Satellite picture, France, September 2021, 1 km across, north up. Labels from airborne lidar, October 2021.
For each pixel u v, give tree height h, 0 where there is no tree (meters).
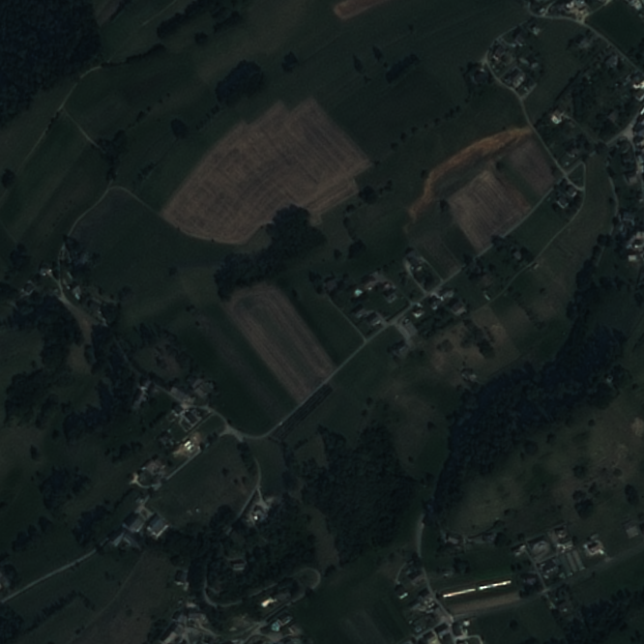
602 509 0
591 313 11
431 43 0
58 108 0
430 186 0
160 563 0
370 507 17
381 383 0
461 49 0
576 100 13
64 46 32
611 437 0
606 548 0
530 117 0
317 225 0
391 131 0
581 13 0
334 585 0
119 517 0
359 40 0
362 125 0
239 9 9
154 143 0
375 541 9
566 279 0
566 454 0
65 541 0
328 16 0
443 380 0
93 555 0
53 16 10
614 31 0
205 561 18
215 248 0
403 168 0
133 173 0
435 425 12
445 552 6
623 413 0
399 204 0
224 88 0
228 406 0
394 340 0
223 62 0
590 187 0
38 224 0
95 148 8
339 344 0
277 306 0
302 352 0
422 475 0
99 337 24
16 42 24
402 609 0
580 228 0
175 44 0
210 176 0
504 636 0
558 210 9
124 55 0
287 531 10
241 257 0
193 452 0
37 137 0
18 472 0
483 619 0
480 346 9
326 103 0
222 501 0
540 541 0
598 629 28
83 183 0
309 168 0
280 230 19
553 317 0
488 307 0
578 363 6
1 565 8
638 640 10
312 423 0
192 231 0
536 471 0
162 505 0
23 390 19
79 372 0
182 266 0
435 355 0
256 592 28
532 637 0
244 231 0
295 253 26
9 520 0
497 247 14
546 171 0
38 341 0
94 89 0
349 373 0
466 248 0
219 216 0
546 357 0
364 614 0
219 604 12
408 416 0
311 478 10
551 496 0
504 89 0
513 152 0
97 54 21
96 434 13
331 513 20
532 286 0
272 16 0
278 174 0
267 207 0
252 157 0
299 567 27
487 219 0
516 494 0
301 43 0
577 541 9
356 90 0
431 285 14
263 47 0
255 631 0
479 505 0
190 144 0
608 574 0
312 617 0
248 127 0
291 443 0
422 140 0
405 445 0
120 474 0
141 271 0
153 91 0
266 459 0
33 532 12
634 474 0
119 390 31
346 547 19
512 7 0
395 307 0
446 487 11
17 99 17
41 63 27
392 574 0
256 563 17
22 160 0
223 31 17
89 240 0
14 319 0
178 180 0
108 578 10
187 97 0
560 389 22
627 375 11
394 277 0
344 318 0
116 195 0
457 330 0
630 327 0
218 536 24
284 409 0
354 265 0
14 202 0
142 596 0
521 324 0
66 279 0
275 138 0
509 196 0
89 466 0
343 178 0
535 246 0
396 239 0
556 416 24
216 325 0
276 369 0
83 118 0
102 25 0
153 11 0
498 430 22
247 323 0
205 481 0
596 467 0
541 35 0
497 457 20
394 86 8
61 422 0
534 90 0
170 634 0
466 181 0
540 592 16
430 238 0
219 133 0
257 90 16
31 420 12
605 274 0
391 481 27
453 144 0
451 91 0
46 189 0
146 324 0
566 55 0
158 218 0
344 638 0
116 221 0
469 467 23
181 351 17
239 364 0
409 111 0
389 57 0
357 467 18
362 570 0
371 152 0
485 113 0
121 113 0
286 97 0
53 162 0
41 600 0
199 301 0
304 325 0
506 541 14
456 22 0
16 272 15
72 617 0
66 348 7
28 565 0
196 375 14
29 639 0
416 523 0
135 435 0
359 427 0
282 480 0
